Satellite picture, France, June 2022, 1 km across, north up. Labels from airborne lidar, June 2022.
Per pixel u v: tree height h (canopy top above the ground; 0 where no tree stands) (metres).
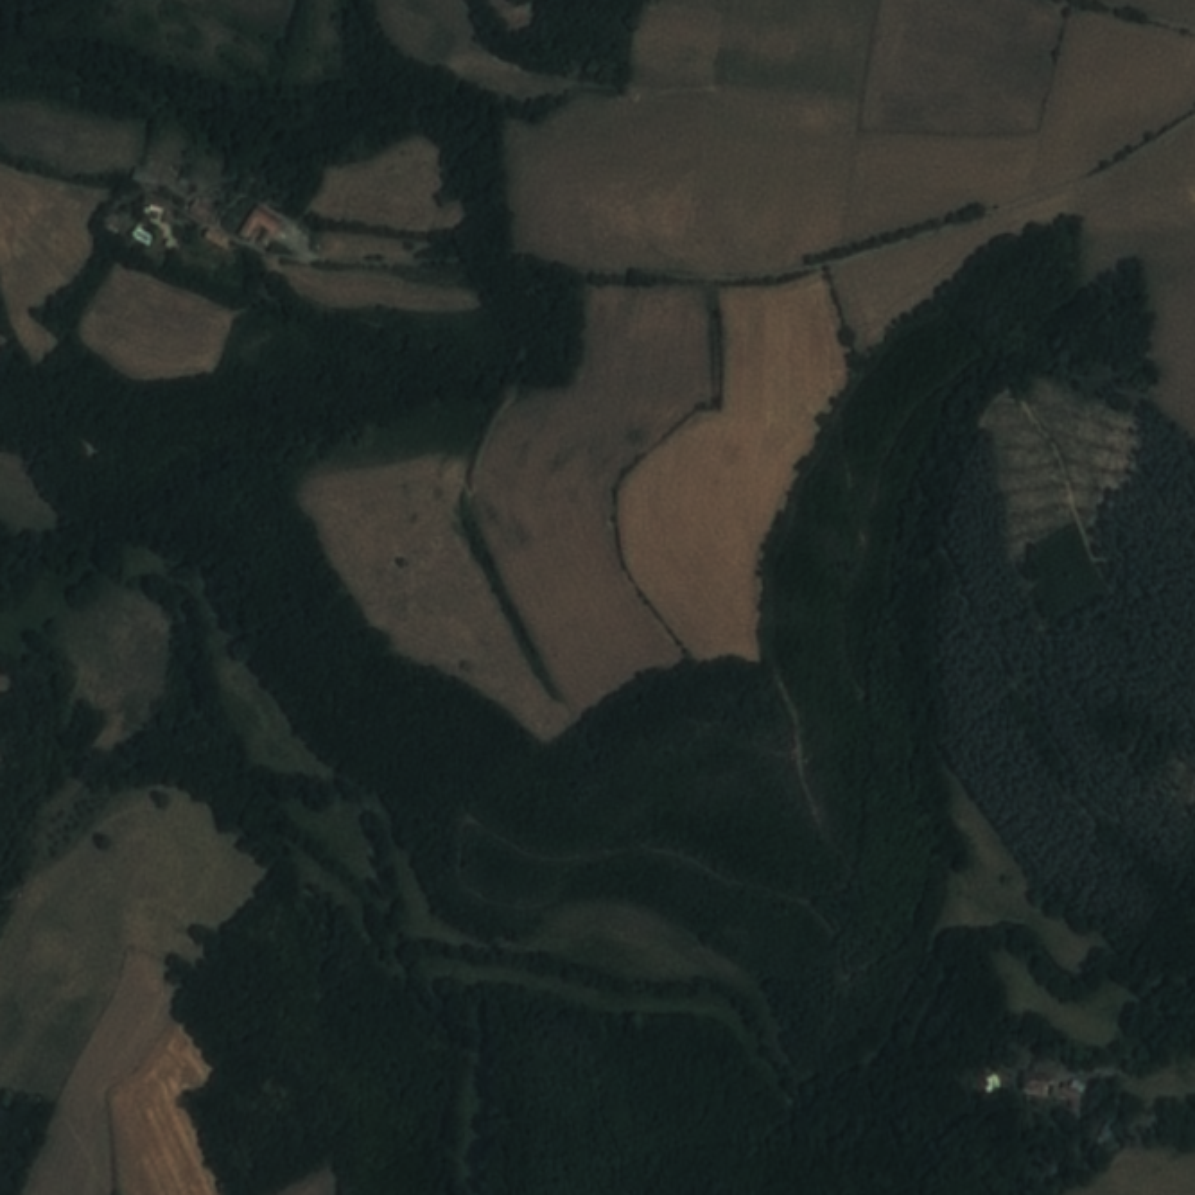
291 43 13
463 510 0
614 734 13
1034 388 14
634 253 0
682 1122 11
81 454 13
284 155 8
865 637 7
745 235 0
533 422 0
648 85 0
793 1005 12
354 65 13
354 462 0
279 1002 17
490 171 11
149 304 0
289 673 19
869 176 0
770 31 0
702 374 0
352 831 0
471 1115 0
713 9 0
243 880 0
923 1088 23
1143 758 10
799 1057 15
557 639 0
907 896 16
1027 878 10
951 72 0
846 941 15
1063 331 22
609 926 0
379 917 21
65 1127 0
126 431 14
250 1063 19
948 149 0
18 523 0
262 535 14
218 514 14
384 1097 11
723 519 0
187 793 15
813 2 0
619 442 0
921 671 18
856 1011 12
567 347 18
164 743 25
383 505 0
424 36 0
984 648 22
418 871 8
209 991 16
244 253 6
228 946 19
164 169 0
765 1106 22
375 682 12
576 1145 8
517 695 0
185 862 0
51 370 8
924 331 7
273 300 10
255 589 15
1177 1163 0
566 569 0
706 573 0
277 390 17
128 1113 0
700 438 0
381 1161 13
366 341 15
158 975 0
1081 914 18
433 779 11
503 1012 13
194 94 22
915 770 21
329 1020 23
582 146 0
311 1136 18
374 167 0
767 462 0
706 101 0
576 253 0
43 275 0
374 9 12
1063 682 18
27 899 0
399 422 15
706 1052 13
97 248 10
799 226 0
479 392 19
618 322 0
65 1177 0
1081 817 24
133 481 15
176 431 10
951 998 24
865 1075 21
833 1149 22
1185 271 0
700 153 0
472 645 0
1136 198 0
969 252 0
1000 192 0
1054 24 0
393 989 23
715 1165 14
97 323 0
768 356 0
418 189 0
